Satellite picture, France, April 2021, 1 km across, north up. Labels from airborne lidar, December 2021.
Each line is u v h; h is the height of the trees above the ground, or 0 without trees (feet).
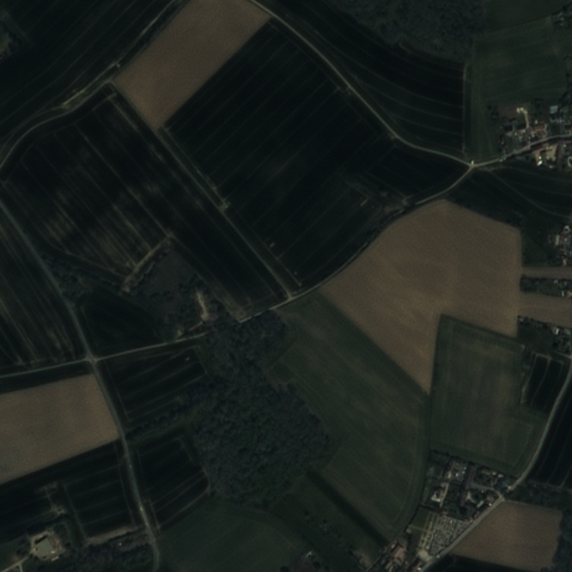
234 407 63
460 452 0
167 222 0
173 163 0
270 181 0
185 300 0
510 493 25
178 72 0
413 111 0
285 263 0
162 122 0
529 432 0
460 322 0
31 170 0
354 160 0
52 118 0
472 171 0
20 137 0
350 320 0
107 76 0
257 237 0
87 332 0
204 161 0
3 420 0
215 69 0
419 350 0
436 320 0
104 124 0
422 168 0
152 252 0
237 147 0
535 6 0
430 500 0
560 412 0
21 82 0
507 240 0
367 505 0
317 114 0
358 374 0
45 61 0
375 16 64
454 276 0
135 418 0
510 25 0
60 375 0
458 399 0
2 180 0
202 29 0
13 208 0
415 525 0
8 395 0
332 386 0
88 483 0
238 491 62
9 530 0
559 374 0
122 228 0
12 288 0
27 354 0
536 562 0
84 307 0
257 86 0
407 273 0
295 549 0
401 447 0
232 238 0
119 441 0
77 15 0
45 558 0
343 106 0
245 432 58
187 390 0
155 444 0
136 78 0
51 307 0
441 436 0
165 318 0
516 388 0
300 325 0
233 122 0
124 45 0
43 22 0
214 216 0
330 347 0
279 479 74
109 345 0
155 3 0
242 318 0
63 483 0
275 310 0
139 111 0
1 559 0
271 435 63
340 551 0
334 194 0
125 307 0
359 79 0
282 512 0
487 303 0
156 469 0
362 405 0
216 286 0
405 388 0
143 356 0
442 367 0
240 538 0
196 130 0
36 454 0
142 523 0
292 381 0
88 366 0
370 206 0
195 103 0
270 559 0
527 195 0
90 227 0
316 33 0
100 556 81
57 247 0
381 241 0
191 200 0
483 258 0
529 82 0
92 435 0
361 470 0
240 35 0
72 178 0
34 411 0
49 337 0
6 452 0
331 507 0
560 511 0
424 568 0
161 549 0
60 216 0
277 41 0
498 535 0
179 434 0
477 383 0
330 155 0
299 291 0
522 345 0
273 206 0
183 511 0
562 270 0
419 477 0
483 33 56
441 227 0
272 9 0
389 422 0
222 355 73
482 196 0
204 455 70
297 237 0
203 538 0
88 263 0
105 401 0
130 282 0
